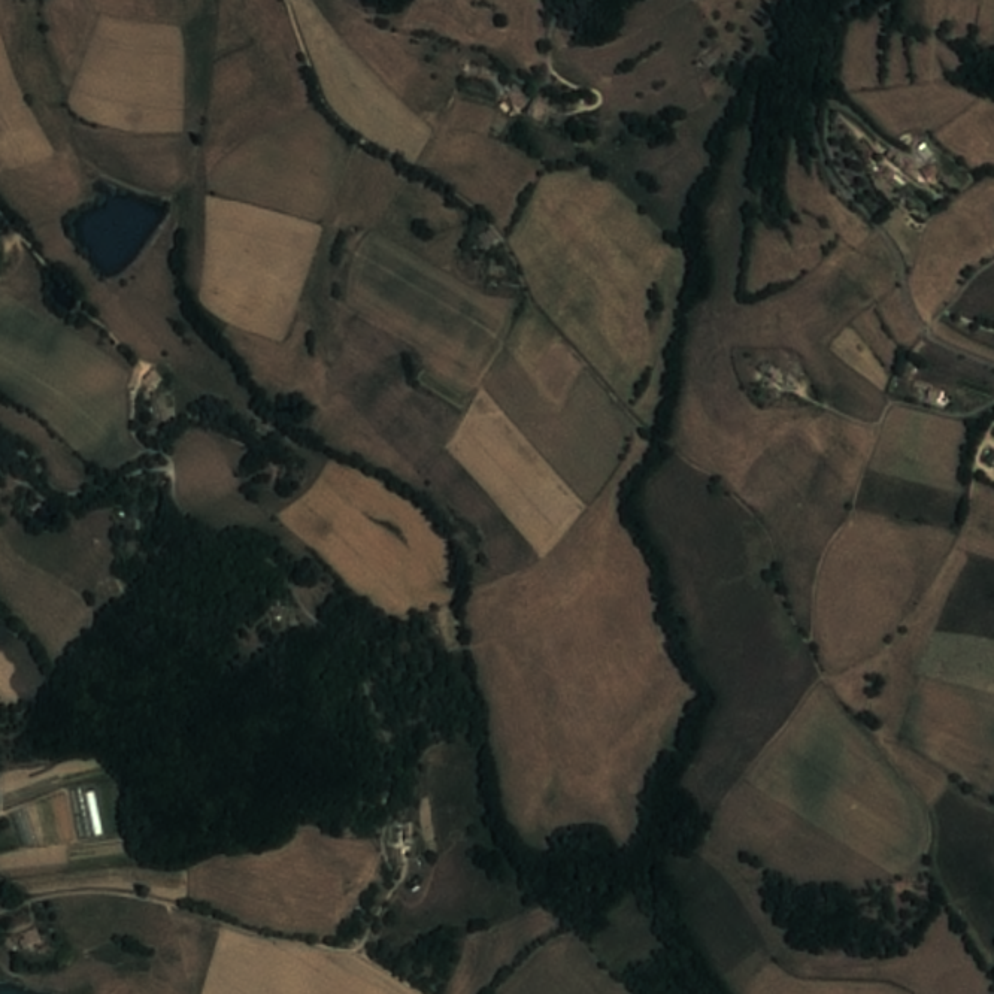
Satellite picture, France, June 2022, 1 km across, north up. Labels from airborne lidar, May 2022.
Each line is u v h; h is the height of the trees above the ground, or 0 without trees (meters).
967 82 14
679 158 0
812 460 0
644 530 14
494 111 0
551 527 0
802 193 0
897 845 0
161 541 18
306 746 18
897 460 0
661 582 19
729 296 0
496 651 0
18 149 0
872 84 0
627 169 0
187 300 13
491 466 0
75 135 0
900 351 12
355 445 0
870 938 13
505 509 0
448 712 13
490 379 0
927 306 0
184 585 21
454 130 0
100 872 0
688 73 0
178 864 15
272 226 0
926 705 0
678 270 0
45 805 0
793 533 0
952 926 13
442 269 0
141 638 21
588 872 23
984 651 0
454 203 24
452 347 0
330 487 0
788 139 11
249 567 15
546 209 0
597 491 0
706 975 17
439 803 0
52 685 13
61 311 13
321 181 0
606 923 15
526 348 0
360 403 0
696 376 0
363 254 0
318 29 0
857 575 0
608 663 0
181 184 0
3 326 0
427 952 10
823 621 0
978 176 10
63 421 0
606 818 0
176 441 7
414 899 0
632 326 0
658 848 19
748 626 0
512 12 0
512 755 0
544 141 0
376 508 0
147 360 0
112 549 6
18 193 0
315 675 15
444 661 11
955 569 0
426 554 0
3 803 0
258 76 0
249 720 19
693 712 20
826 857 0
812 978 0
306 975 0
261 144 0
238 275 0
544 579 0
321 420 0
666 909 21
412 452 0
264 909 0
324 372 0
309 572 19
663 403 14
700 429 0
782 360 0
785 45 26
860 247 0
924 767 0
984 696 0
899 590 0
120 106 0
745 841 0
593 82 0
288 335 0
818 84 16
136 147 0
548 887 17
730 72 10
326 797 15
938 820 0
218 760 18
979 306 0
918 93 0
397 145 0
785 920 14
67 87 0
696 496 0
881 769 0
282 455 15
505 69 9
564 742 0
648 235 0
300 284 0
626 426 0
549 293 0
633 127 12
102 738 20
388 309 0
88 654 18
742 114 22
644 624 0
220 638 22
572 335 0
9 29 0
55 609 0
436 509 25
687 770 10
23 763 10
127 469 10
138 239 0
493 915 0
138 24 0
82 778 0
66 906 0
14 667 0
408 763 17
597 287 0
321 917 0
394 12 9
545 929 0
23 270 0
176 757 20
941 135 0
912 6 0
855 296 0
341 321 0
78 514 9
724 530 0
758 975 0
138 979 0
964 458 12
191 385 0
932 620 0
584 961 0
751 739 0
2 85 0
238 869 0
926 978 0
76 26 0
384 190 0
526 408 0
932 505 0
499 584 0
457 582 25
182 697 19
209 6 0
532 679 0
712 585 0
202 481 0
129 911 0
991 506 0
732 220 0
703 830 10
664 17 0
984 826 0
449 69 0
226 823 19
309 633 14
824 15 20
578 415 0
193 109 0
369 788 14
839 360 0
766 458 0
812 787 0
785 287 9
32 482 12
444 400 0
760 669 0
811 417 0
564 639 0
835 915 12
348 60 0
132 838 19
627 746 0
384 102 0
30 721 12
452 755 0
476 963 0
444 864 0
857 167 23
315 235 0
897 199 8
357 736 17
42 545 0
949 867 0
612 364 0
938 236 0
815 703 0
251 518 0
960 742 0
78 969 0
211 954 0
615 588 0
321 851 0
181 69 0
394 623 17
